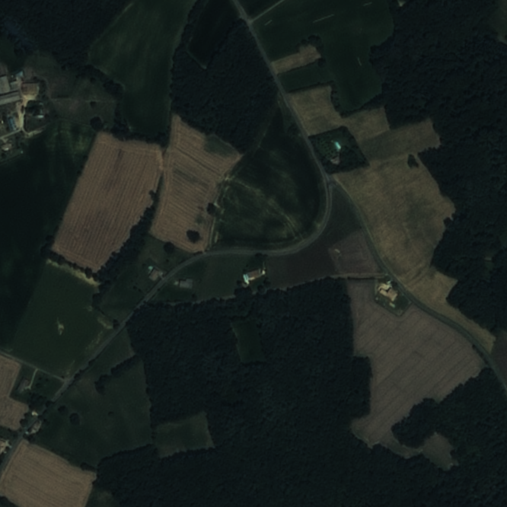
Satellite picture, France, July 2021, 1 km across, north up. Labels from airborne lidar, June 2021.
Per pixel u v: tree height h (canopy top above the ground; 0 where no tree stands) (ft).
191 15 41
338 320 61
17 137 26
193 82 57
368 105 32
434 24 69
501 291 75
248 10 0
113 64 0
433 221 0
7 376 0
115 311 0
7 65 0
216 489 87
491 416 29
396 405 0
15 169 0
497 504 45
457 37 81
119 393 0
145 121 0
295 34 0
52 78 0
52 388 0
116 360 0
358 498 43
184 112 53
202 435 0
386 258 0
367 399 40
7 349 0
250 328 0
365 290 0
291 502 48
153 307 58
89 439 0
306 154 0
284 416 60
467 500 60
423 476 72
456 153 75
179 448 0
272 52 0
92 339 0
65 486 0
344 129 28
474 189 74
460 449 57
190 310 59
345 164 33
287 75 0
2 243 0
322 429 67
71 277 0
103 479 52
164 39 0
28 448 0
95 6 45
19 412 0
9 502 24
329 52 0
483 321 67
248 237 0
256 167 0
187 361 75
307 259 0
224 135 42
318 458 75
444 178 42
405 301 0
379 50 71
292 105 0
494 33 54
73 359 0
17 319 0
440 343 0
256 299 26
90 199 0
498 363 0
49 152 0
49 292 0
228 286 0
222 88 34
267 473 52
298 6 0
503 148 76
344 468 77
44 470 0
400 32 74
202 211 0
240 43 53
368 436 0
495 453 28
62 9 61
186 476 58
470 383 46
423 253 0
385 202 0
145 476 53
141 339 62
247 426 74
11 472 0
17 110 0
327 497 75
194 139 0
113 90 54
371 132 0
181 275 0
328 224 0
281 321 55
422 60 77
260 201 0
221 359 75
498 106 68
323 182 0
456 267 21
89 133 0
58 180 0
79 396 0
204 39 0
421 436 65
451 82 87
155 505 71
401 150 0
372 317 0
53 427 0
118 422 0
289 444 54
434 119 40
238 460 62
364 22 0
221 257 0
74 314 0
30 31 59
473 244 59
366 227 0
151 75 0
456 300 49
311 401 61
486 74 84
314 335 72
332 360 80
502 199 83
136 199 0
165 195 0
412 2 50
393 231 0
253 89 36
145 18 0
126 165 0
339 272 0
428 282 0
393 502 75
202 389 65
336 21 0
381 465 63
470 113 84
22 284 0
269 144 0
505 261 60
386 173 0
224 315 41
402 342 0
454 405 26
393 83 71
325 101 0
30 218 0
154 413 47
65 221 0
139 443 0
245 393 80
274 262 0
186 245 0
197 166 0
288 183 0
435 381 0
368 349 0
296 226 0
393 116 45
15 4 67
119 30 0
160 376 63
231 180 0
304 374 54
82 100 0
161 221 0
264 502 68
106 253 0
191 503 51
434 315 0
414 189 0
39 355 0
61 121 0
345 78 0
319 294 56
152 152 0
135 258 45
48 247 38
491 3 65
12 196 0
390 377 0
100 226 0
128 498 69
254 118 55
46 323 0
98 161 0
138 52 0
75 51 79
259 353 0
